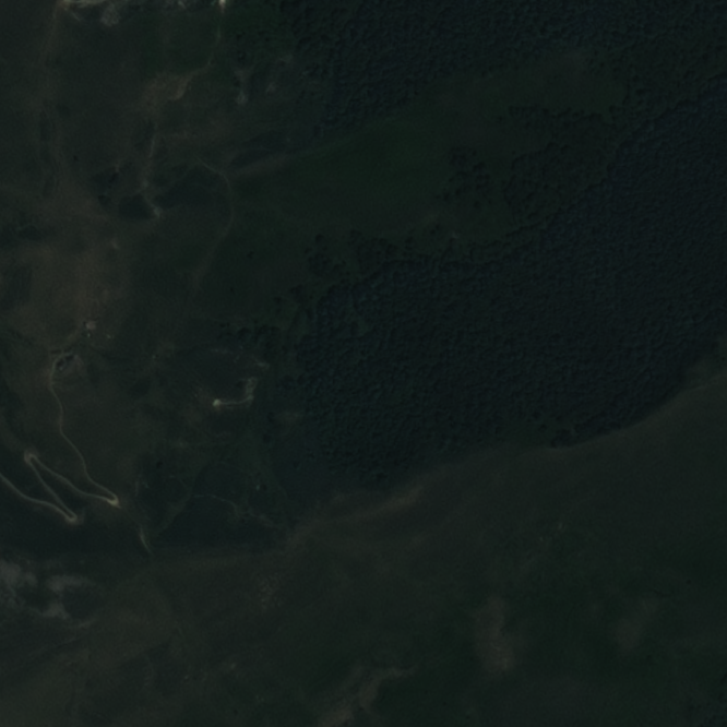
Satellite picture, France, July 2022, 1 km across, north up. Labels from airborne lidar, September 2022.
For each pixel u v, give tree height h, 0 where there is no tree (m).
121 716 0
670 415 0
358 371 12
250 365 0
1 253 0
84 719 0
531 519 0
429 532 0
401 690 0
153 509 0
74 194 0
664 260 16
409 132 0
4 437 0
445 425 8
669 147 20
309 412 9
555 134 10
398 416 15
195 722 0
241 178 0
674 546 0
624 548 0
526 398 11
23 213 0
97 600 0
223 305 0
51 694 0
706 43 14
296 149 0
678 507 0
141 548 0
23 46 0
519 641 0
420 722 0
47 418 0
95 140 0
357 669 0
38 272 0
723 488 0
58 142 0
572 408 16
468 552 0
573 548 0
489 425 14
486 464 0
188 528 0
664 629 0
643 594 0
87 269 0
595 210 20
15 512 0
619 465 0
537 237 19
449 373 22
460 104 0
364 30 15
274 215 0
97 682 0
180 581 0
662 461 0
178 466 0
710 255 15
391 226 0
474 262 14
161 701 0
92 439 0
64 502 0
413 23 17
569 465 0
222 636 0
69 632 0
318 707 0
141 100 0
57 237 0
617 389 15
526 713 0
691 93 22
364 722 0
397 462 7
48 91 0
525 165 20
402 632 0
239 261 0
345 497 0
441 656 0
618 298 17
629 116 18
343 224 0
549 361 18
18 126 0
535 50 12
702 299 13
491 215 0
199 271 0
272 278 0
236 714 5
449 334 9
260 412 0
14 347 0
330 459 6
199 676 0
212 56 0
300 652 0
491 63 13
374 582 0
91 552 0
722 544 0
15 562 0
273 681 0
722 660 0
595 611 0
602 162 20
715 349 16
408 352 18
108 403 0
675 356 15
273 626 0
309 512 0
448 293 15
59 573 0
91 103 0
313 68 7
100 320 0
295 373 0
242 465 0
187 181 0
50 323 0
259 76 0
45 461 0
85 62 0
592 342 15
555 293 14
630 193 16
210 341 0
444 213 0
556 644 0
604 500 0
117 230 0
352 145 0
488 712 0
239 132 0
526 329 21
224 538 0
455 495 0
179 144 0
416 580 0
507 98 0
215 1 0
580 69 0
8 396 0
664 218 21
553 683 0
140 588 0
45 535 0
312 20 22
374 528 0
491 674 0
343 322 12
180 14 0
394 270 14
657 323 17
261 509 0
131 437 0
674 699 0
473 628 0
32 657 0
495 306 17
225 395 0
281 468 0
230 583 0
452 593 0
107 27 0
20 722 0
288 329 0
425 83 12
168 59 0
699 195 16
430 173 0
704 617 0
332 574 0
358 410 16
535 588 0
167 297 0
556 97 0
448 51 14
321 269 18
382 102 6
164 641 0
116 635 0
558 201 18
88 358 0
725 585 0
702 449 0
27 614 0
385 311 16
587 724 0
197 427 0
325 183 0
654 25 20
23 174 0
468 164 21
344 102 11
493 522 0
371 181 0
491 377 13
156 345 0
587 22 21
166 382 0
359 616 0
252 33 0
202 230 0
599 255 17
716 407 0
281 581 0
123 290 0
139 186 0
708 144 21
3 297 0
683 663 0
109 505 0
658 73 21
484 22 22
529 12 18
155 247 0
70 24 0
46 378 0
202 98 0
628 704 0
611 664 0
